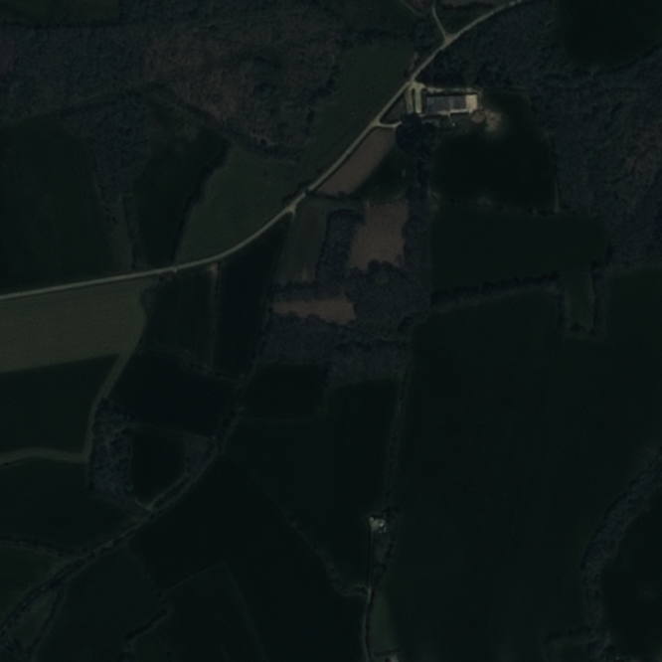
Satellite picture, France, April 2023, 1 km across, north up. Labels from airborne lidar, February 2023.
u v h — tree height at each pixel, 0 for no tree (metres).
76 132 14
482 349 0
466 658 0
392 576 0
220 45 10
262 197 0
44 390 0
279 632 0
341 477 0
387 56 0
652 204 13
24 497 0
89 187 0
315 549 7
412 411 0
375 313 16
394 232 0
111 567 0
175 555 0
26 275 0
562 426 0
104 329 0
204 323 0
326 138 0
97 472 16
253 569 0
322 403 0
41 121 0
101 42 12
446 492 0
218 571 0
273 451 0
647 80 11
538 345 0
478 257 0
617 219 19
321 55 6
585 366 0
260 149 11
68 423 0
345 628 0
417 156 18
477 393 0
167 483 0
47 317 0
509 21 17
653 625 0
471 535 0
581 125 23
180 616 0
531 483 0
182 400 0
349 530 0
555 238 0
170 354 0
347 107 0
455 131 0
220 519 0
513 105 0
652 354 0
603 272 10
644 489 6
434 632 0
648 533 0
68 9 0
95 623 0
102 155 14
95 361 0
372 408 0
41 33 16
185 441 0
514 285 14
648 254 17
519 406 0
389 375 12
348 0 0
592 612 10
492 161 0
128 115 13
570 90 16
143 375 0
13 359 0
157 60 8
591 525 0
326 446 0
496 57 20
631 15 0
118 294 0
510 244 0
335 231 15
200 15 14
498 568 0
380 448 0
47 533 0
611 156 20
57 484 0
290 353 16
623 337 0
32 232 0
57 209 0
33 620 0
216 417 0
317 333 14
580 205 19
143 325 0
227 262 0
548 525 0
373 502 0
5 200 0
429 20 13
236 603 0
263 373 0
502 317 0
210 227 0
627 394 0
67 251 0
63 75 13
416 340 0
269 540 0
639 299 0
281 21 10
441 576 0
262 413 0
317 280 9
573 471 0
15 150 0
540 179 0
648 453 0
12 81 21
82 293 0
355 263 0
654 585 0
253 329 0
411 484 0
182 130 0
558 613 0
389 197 0
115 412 11
